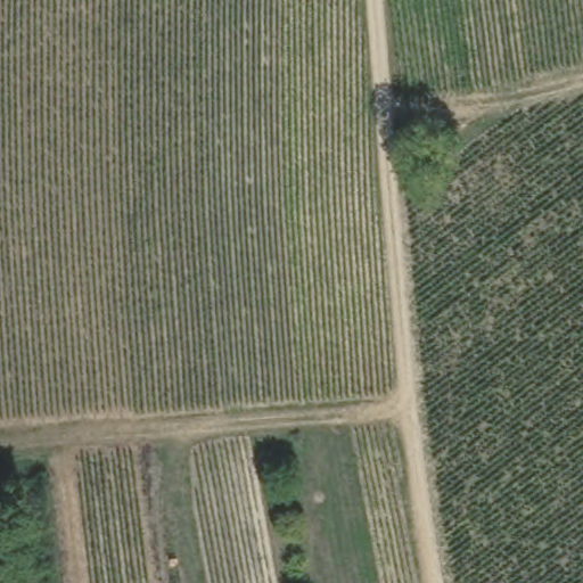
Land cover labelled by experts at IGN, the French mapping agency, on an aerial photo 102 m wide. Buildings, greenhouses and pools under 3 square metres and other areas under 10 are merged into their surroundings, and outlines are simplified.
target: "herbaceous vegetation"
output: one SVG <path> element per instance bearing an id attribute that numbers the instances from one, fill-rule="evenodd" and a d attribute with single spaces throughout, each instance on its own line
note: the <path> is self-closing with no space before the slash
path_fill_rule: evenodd
<path id="1" fill-rule="evenodd" d="M 0 444 L 0 481 L 5 476 L 16 476 L 16 471 L 30 469 L 34 462 L 43 462 L 48 467 L 50 458 L 46 455 L 46 449 L 11 451 L 9 446 Z"/>
<path id="2" fill-rule="evenodd" d="M 148 524 L 153 535 L 153 563 L 155 569 L 169 574 L 169 583 L 205 583 L 198 535 L 191 512 L 189 449 L 182 442 L 155 440 L 150 444 L 143 444 L 139 462 L 141 467 Z"/>
<path id="3" fill-rule="evenodd" d="M 312 583 L 378 583 L 371 535 L 367 526 L 362 490 L 358 478 L 358 460 L 351 446 L 351 430 L 346 424 L 287 428 L 280 430 L 278 437 L 262 437 L 253 444 L 253 460 L 260 478 L 264 474 L 276 471 L 282 465 L 292 465 L 294 460 L 298 460 L 298 474 L 303 478 L 303 492 L 296 501 L 276 503 L 266 510 L 269 524 L 273 524 L 282 515 L 301 515 L 307 522 L 307 535 L 301 544 L 285 544 L 269 528 L 276 560 L 292 560 L 294 556 L 305 553 L 303 574 Z"/>

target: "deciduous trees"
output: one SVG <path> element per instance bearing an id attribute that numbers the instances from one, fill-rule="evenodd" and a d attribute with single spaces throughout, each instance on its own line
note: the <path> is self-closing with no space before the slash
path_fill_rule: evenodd
<path id="1" fill-rule="evenodd" d="M 43 462 L 34 462 L 30 469 L 16 471 L 16 476 L 5 476 L 0 481 L 0 583 L 64 583 L 64 549 L 57 542 L 57 512 L 48 467 Z"/>
<path id="2" fill-rule="evenodd" d="M 410 200 L 419 210 L 435 210 L 449 203 L 446 189 L 455 182 L 453 171 L 458 169 L 460 155 L 465 150 L 462 137 L 458 134 L 458 125 L 453 130 L 446 130 L 435 118 L 421 118 L 405 134 L 394 132 L 387 123 L 383 128 L 385 148 L 387 159 L 392 162 L 399 180 L 401 198 L 405 203 Z"/>
<path id="3" fill-rule="evenodd" d="M 269 528 L 285 544 L 301 544 L 307 535 L 307 522 L 301 515 L 282 515 L 273 524 L 269 524 Z"/>
<path id="4" fill-rule="evenodd" d="M 294 556 L 292 560 L 276 560 L 278 583 L 312 583 L 303 574 L 305 553 Z"/>
<path id="5" fill-rule="evenodd" d="M 303 478 L 298 474 L 298 460 L 294 460 L 292 465 L 282 465 L 276 471 L 264 474 L 260 478 L 266 510 L 276 503 L 296 501 L 303 492 Z"/>

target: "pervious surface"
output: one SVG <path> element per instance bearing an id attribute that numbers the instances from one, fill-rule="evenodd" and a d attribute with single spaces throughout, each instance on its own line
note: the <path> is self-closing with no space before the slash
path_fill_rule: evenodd
<path id="1" fill-rule="evenodd" d="M 153 535 L 148 524 L 141 467 L 137 469 L 137 496 L 150 583 L 169 583 L 169 574 L 155 569 L 153 563 Z"/>
<path id="2" fill-rule="evenodd" d="M 373 114 L 385 116 L 387 123 L 394 132 L 405 134 L 421 118 L 435 118 L 446 130 L 453 130 L 458 125 L 446 102 L 435 98 L 435 93 L 426 84 L 408 84 L 399 77 L 389 80 L 385 0 L 367 0 L 371 77 L 376 82 L 371 93 L 371 107 Z"/>
<path id="3" fill-rule="evenodd" d="M 225 417 L 221 403 L 143 412 L 134 412 L 132 408 L 112 408 L 59 414 L 23 414 L 5 417 L 0 421 L 0 444 L 9 446 L 11 451 L 46 449 L 46 455 L 50 458 L 48 467 L 57 512 L 57 542 L 64 549 L 64 583 L 89 583 L 75 481 L 77 474 L 82 474 L 82 465 L 77 462 L 77 458 L 82 451 L 100 451 L 102 458 L 107 458 L 114 455 L 116 444 L 121 444 L 132 451 L 132 455 L 139 462 L 143 444 L 150 444 L 155 440 L 182 442 L 225 430 L 255 430 L 262 437 L 278 437 L 280 430 L 287 428 L 346 424 L 369 424 L 387 419 L 401 428 L 408 455 L 410 496 L 424 583 L 453 583 L 453 574 L 442 572 L 449 544 L 437 535 L 440 494 L 435 487 L 435 462 L 430 460 L 426 446 L 428 433 L 424 426 L 421 399 L 424 373 L 417 358 L 417 342 L 412 335 L 414 312 L 410 303 L 414 285 L 410 273 L 412 260 L 405 203 L 401 198 L 399 180 L 392 162 L 387 159 L 385 148 L 378 150 L 378 169 L 396 346 L 396 387 L 387 394 L 383 403 L 239 417 Z"/>

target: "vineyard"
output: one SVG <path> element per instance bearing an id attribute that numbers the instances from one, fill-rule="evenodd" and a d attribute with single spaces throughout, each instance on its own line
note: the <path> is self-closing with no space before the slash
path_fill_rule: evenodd
<path id="1" fill-rule="evenodd" d="M 371 535 L 378 583 L 424 583 L 410 496 L 408 455 L 401 428 L 387 419 L 369 424 L 346 424 L 351 430 L 351 446 L 358 460 L 358 478 L 362 490 L 367 526 Z"/>
<path id="2" fill-rule="evenodd" d="M 435 462 L 435 487 L 440 494 L 437 535 L 449 544 L 442 572 L 453 574 L 453 583 L 583 583 L 583 0 L 385 0 L 389 80 L 399 77 L 408 84 L 426 84 L 435 93 L 435 98 L 446 102 L 458 125 L 458 134 L 462 137 L 465 150 L 460 155 L 458 169 L 453 171 L 455 182 L 446 189 L 449 203 L 435 210 L 419 210 L 410 200 L 405 203 L 412 260 L 410 273 L 414 285 L 410 303 L 414 312 L 412 335 L 417 342 L 417 358 L 424 373 L 421 399 L 424 426 L 428 433 L 426 446 L 430 460 Z"/>
<path id="3" fill-rule="evenodd" d="M 82 474 L 77 474 L 75 481 L 89 583 L 150 583 L 137 496 L 137 469 L 141 467 L 139 462 L 132 455 L 132 451 L 121 444 L 116 444 L 114 455 L 107 458 L 102 458 L 100 451 L 82 451 L 77 458 L 77 462 L 82 465 Z"/>
<path id="4" fill-rule="evenodd" d="M 0 0 L 0 421 L 5 417 L 23 414 L 59 414 L 112 408 L 132 408 L 134 412 L 143 412 L 221 403 L 225 417 L 239 417 L 383 403 L 387 394 L 396 387 L 396 346 L 378 169 L 378 150 L 385 148 L 383 128 L 387 123 L 385 116 L 373 114 L 371 107 L 371 93 L 376 82 L 371 77 L 367 0 Z"/>
<path id="5" fill-rule="evenodd" d="M 253 444 L 262 437 L 255 430 L 225 430 L 182 442 L 189 449 L 191 512 L 198 535 L 205 583 L 278 583 L 276 560 L 269 528 L 269 524 L 266 510 L 260 478 L 253 460 Z"/>

